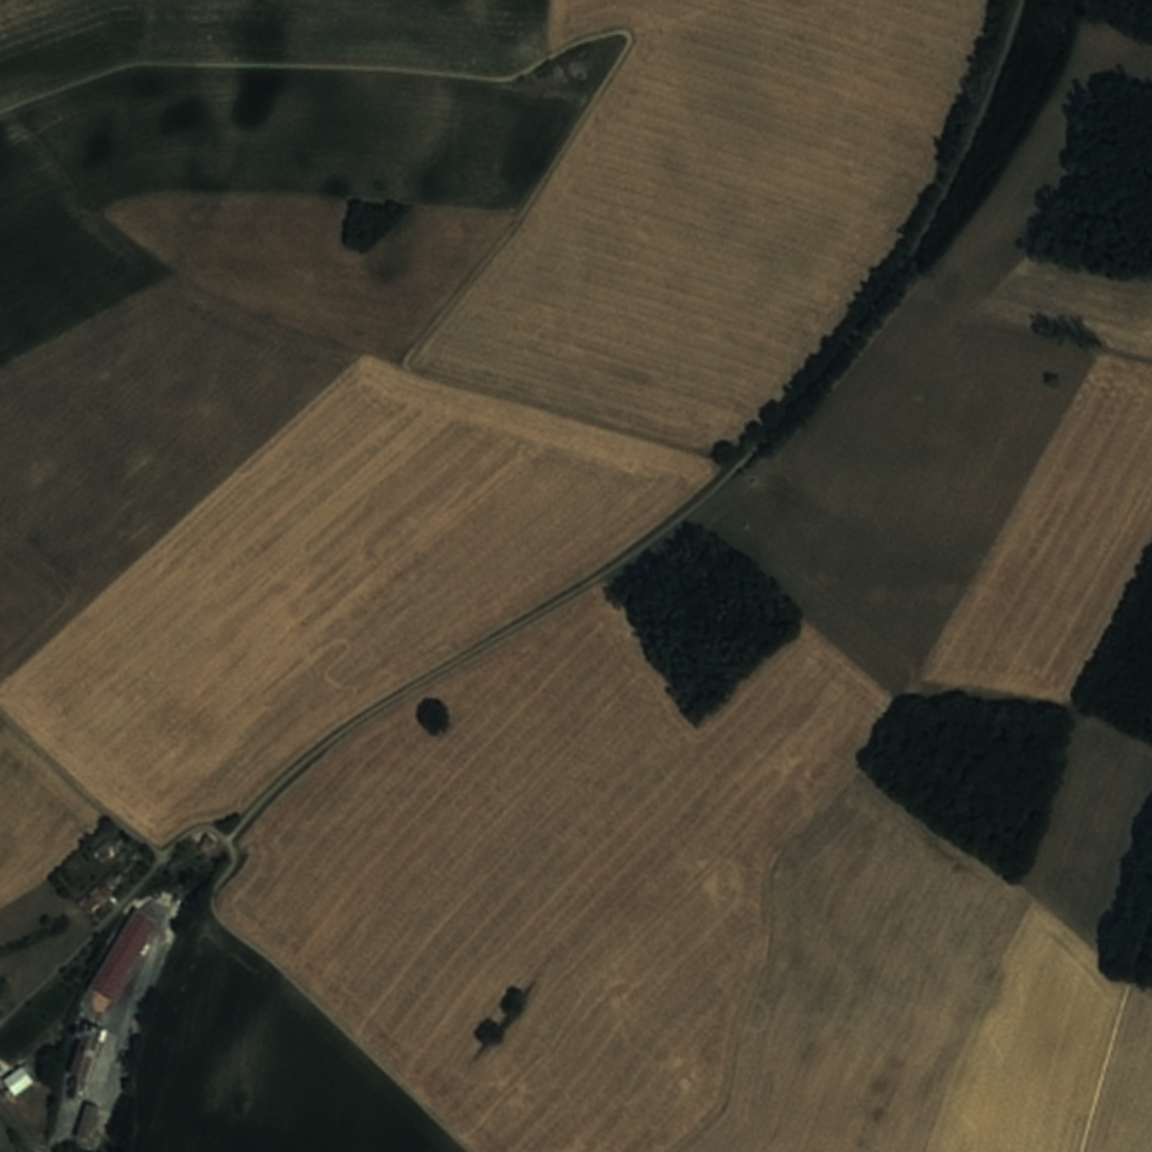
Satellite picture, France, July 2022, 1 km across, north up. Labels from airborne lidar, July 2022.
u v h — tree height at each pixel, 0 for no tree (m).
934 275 13
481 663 0
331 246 0
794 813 0
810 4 0
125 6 0
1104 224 29
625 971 0
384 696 0
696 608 31
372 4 0
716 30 0
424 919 0
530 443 0
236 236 0
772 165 0
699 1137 0
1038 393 0
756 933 0
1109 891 0
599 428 0
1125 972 24
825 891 0
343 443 0
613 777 0
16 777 0
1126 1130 0
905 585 0
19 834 0
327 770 0
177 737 0
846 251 0
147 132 0
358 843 0
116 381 0
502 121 0
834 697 0
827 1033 0
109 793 0
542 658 0
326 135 0
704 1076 0
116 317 0
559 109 0
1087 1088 0
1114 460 0
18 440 0
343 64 0
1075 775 0
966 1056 0
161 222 0
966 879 0
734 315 0
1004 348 0
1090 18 24
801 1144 0
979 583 0
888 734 18
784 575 0
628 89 0
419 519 0
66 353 0
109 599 0
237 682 0
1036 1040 0
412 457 0
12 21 0
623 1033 0
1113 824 0
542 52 0
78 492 0
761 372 0
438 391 0
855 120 0
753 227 0
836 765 0
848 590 0
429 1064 0
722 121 0
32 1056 0
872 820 0
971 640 0
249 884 0
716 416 0
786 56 0
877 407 0
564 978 0
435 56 0
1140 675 15
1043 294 0
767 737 0
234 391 0
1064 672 0
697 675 28
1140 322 0
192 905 18
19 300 0
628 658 0
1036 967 0
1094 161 25
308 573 0
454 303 0
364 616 0
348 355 0
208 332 0
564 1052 0
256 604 0
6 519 0
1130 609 15
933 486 0
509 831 0
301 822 0
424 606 0
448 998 0
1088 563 0
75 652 0
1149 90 26
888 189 0
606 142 0
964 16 0
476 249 0
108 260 0
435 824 0
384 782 0
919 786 18
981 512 0
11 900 0
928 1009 0
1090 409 0
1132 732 15
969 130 24
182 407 0
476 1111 0
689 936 0
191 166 0
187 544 0
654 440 0
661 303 0
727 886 0
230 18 0
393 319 0
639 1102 0
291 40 0
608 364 0
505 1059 0
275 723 0
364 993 0
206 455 0
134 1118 13
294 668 0
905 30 0
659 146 0
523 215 0
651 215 0
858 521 0
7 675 0
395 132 0
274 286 0
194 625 0
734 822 0
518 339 0
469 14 0
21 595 0
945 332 0
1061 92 0
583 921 0
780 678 0
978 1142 0
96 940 8
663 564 31
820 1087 0
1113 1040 0
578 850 0
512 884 0
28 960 0
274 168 0
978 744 21
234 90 0
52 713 0
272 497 0
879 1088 0
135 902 0
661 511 0
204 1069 0
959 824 20
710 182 0
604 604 0
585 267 0
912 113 0
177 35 0
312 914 0
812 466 0
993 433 0
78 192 0
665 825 0
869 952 0
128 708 0
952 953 0
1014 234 0
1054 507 0
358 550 0
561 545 0
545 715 0
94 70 0
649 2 0
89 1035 0
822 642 0
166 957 0
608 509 0
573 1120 0
